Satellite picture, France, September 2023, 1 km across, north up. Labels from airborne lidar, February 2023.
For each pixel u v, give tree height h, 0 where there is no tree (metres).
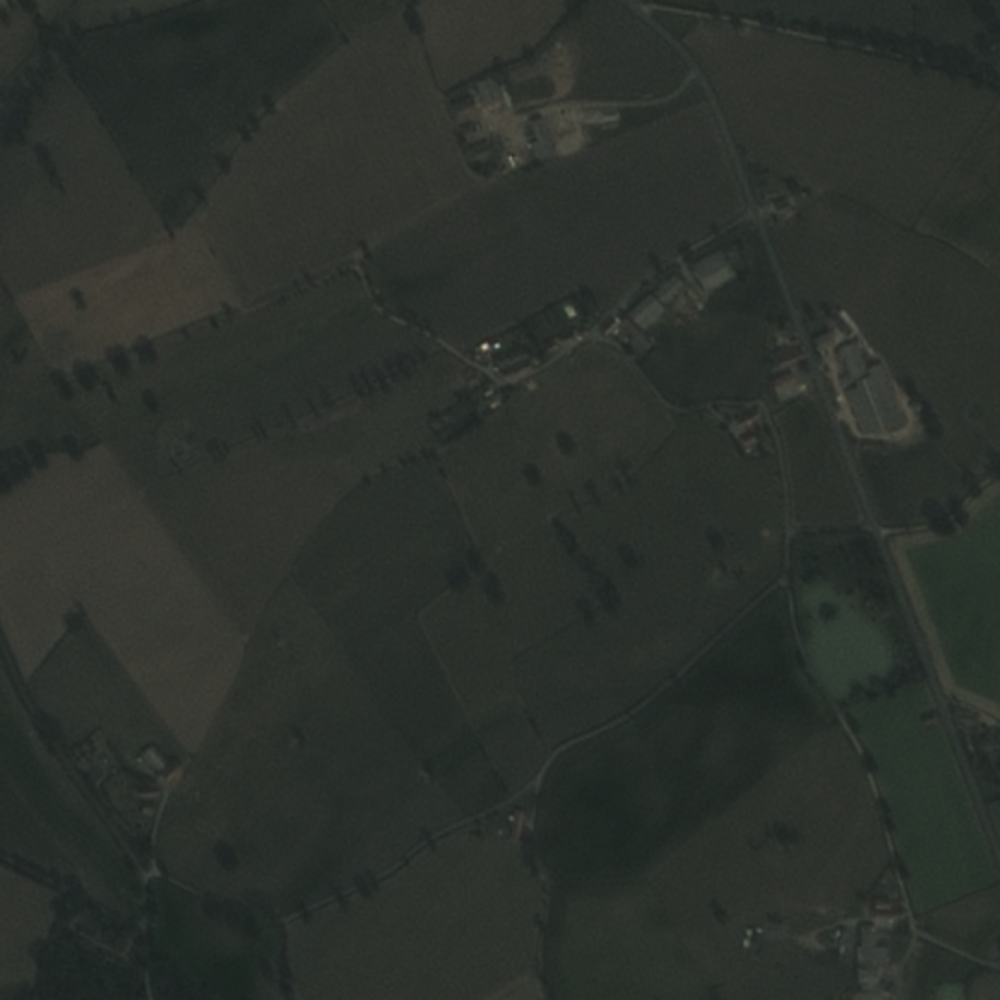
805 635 0
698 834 0
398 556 0
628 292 0
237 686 0
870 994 0
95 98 0
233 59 0
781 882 0
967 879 0
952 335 0
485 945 0
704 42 0
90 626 0
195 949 0
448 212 0
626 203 0
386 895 0
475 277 0
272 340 0
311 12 0
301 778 0
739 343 0
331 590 0
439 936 0
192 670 0
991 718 0
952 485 0
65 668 0
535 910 0
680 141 0
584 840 0
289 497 0
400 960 0
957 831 0
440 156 0
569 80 0
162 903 0
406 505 0
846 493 0
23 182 0
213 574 0
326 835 0
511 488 0
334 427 0
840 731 0
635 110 0
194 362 0
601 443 0
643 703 0
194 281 0
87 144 0
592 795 0
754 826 0
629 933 0
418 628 0
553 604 0
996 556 0
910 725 0
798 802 0
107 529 0
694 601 0
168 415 0
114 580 0
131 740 0
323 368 0
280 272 0
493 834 0
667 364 0
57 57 22
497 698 0
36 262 0
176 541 0
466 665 0
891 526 0
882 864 0
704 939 0
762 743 0
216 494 0
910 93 0
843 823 0
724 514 0
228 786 0
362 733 0
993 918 0
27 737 0
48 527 0
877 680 9
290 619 0
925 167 0
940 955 0
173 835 0
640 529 0
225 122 0
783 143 0
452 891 0
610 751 0
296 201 0
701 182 0
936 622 0
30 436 0
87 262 0
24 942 0
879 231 0
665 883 0
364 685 0
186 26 0
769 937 0
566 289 0
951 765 0
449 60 0
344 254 0
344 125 0
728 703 0
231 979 0
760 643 0
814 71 0
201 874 0
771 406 0
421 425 0
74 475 0
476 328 0
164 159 0
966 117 0
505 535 0
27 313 0
